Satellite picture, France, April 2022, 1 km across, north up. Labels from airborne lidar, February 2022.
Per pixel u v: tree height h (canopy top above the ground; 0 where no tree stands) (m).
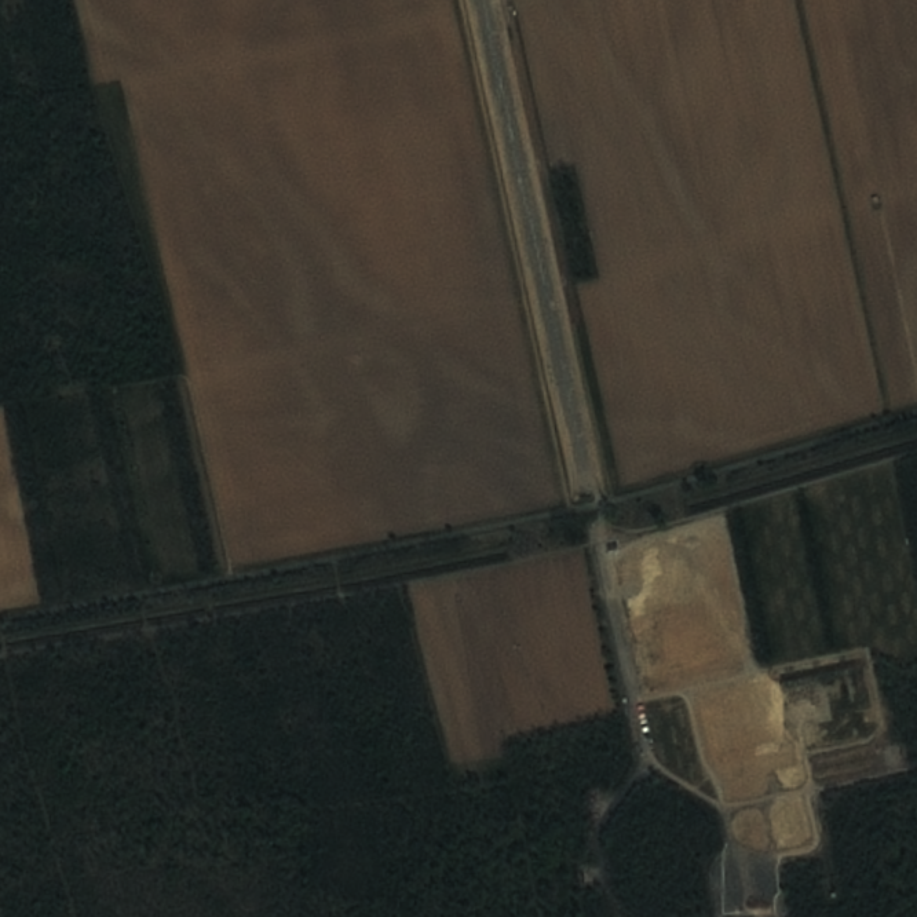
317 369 0
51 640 0
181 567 0
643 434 0
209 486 0
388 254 0
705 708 0
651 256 0
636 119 0
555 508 0
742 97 0
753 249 0
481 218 0
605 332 0
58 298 12
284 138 0
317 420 0
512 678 0
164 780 12
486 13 0
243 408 0
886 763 0
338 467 0
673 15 0
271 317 0
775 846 0
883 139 0
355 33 0
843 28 0
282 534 0
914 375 0
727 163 0
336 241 0
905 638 0
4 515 0
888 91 0
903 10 0
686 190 0
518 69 0
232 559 0
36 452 12
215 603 0
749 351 0
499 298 0
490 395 0
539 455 0
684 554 0
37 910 11
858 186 0
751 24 0
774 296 0
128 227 13
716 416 0
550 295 0
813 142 0
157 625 0
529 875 15
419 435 0
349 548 0
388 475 0
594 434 0
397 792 9
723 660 0
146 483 0
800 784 0
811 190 0
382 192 0
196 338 0
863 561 0
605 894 6
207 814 16
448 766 8
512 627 0
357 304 0
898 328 0
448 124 0
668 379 0
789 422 0
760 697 0
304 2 0
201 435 0
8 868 13
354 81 0
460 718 0
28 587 0
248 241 0
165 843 9
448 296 0
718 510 0
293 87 0
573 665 0
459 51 0
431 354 0
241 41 0
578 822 18
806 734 0
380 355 0
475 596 0
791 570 0
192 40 0
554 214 0
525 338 0
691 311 0
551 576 0
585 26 0
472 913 10
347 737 15
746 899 0
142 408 0
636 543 0
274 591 0
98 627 0
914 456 10
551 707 0
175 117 0
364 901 13
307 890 11
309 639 9
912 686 10
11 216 12
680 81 0
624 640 0
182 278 0
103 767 10
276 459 0
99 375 11
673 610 0
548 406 0
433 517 0
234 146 0
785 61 0
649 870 12
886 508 0
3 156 9
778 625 0
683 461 0
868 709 0
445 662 0
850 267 0
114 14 0
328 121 0
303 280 0
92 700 7
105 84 0
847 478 0
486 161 0
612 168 0
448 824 11
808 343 0
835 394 0
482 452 0
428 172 0
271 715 0
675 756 0
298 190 0
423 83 0
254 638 10
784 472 0
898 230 0
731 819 0
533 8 0
